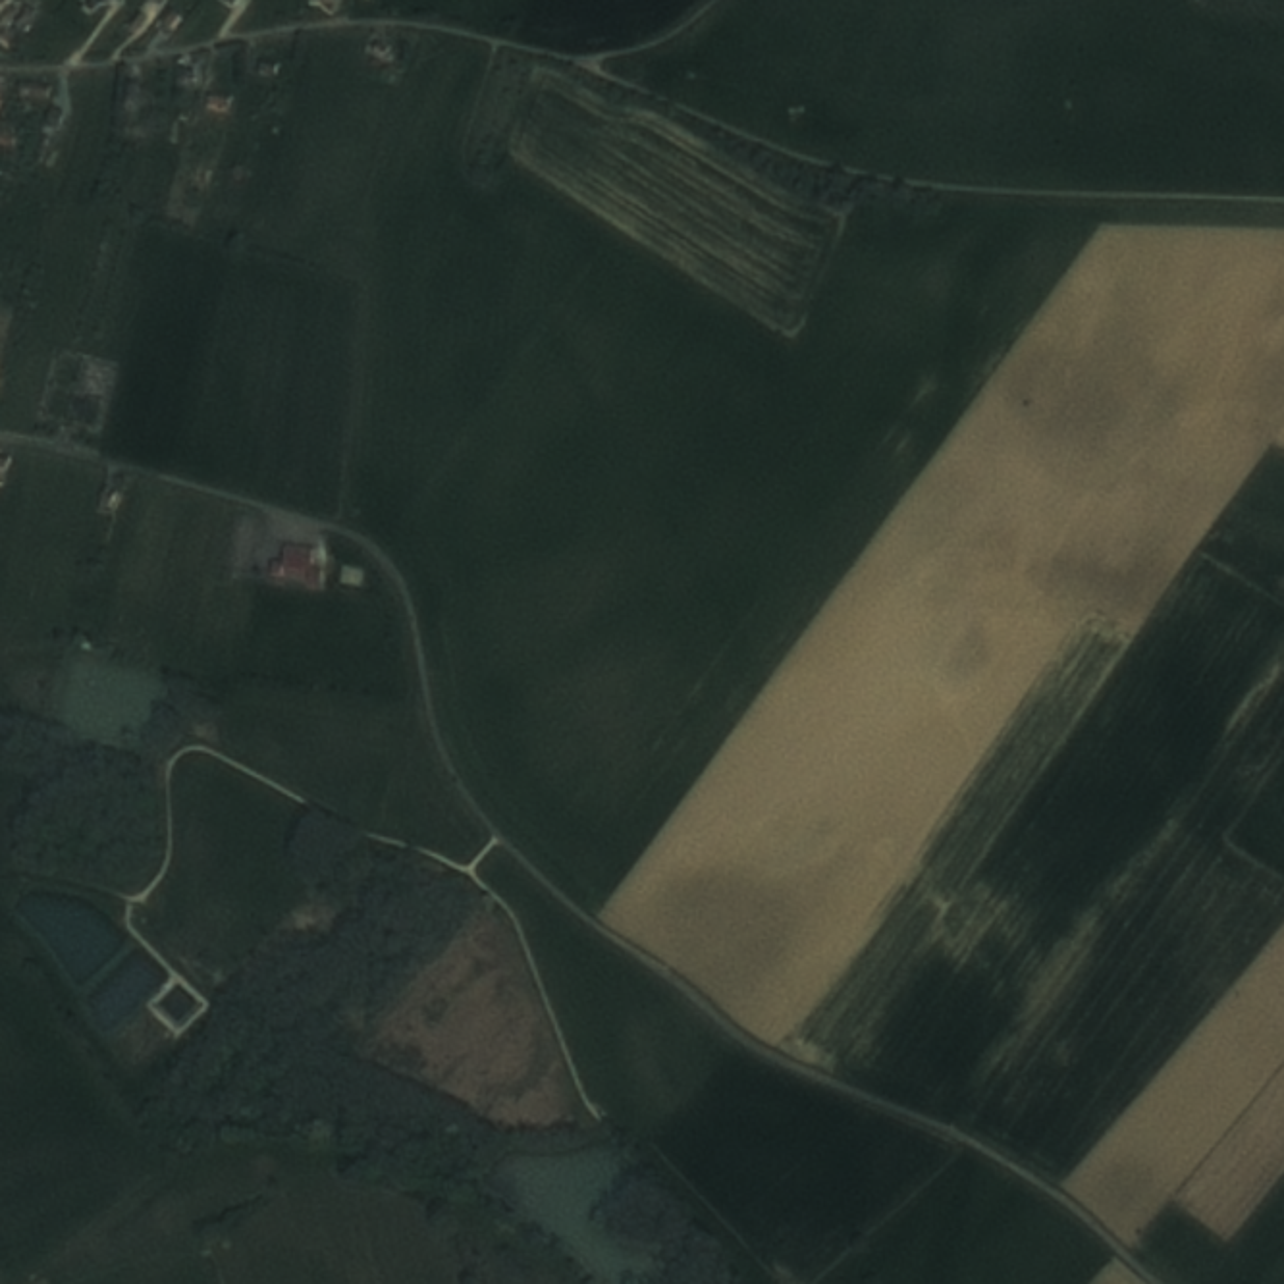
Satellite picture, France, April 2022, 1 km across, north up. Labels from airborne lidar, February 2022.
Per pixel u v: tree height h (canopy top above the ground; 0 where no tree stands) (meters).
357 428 0
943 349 0
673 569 0
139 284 0
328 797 0
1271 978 0
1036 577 0
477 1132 19
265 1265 0
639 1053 0
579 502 0
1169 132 0
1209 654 0
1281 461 0
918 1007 0
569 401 0
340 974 23
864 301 0
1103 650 0
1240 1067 0
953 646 0
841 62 0
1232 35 0
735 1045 0
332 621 0
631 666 0
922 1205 0
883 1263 0
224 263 0
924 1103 0
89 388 0
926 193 8
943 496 0
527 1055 0
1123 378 0
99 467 0
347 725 0
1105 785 0
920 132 0
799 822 0
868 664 0
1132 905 0
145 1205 0
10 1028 0
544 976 0
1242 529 0
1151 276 0
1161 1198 0
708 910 0
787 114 0
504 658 0
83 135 0
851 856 0
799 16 0
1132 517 0
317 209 0
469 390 0
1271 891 0
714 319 0
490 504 0
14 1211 0
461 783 0
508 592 0
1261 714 0
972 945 0
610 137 0
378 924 19
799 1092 0
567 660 0
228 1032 21
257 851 0
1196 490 0
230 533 0
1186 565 0
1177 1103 0
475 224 0
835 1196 0
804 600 0
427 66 0
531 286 0
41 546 0
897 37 0
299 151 0
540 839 0
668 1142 0
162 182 0
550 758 0
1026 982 0
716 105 0
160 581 0
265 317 0
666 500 0
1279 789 0
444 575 0
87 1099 0
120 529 0
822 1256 0
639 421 0
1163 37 0
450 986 0
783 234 0
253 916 0
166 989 0
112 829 26
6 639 0
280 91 7
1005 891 0
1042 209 0
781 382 0
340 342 0
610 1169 0
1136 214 0
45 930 0
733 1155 0
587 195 0
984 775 0
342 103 0
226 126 0
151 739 17
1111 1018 0
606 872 0
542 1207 0
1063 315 0
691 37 0
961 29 0
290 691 0
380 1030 0
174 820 0
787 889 0
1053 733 0
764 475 0
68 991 0
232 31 0
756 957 0
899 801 0
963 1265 0
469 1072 0
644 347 0
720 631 0
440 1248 0
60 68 0
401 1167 22
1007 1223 0
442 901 7
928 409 0
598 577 0
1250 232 0
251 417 0
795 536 0
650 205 0
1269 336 0
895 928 0
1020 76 0
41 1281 0
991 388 0
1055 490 0
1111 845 0
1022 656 0
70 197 0
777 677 0
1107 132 0
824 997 0
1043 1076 0
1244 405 0
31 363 0
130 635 0
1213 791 0
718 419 0
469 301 0
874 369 0
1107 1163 0
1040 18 0
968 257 0
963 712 0
